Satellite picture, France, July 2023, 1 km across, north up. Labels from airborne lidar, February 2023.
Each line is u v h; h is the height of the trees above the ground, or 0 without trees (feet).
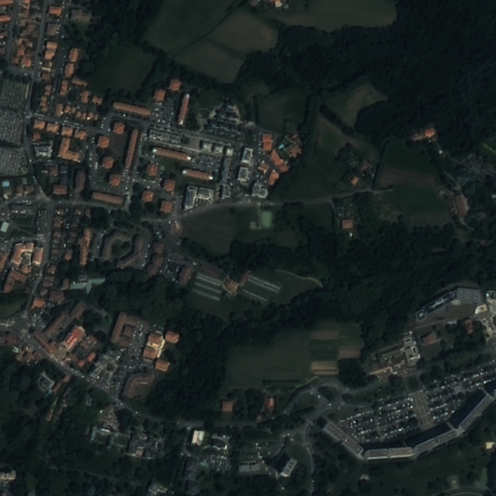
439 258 79
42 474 67
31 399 25
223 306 0
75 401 47
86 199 24
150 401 49
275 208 0
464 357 77
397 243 55
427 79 66
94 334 27
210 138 0
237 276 47
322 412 0
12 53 0
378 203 0
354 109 0
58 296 0
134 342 0
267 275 0
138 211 76
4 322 0
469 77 84
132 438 0
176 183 0
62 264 50
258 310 0
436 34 79
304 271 50
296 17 0
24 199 0
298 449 0
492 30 66
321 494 69
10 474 0
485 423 0
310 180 0
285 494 0
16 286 0
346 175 22
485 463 0
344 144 0
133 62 0
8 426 95
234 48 0
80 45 59
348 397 38
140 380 0
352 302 113
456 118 24
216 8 0
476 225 24
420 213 0
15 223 0
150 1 44
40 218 0
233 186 0
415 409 0
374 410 51
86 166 36
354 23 0
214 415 80
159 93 0
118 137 0
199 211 0
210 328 99
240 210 0
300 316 62
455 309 0
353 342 0
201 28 0
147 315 115
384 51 70
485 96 71
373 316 88
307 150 69
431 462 0
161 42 0
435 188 0
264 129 0
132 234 0
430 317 0
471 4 63
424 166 0
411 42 82
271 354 0
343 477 0
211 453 24
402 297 76
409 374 0
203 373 78
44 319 32
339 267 83
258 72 42
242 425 0
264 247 50
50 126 0
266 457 35
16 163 0
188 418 60
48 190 20
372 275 66
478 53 86
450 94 49
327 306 90
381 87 57
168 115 0
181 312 66
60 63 0
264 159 0
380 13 0
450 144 73
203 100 0
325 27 0
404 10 68
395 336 91
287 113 0
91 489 100
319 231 58
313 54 79
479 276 64
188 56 0
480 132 47
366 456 0
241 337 92
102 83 0
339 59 87
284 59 94
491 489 77
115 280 70
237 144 0
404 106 81
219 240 0
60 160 27
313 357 0
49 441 34
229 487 0
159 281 83
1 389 127
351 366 33
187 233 0
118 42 18
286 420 28
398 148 0
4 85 0
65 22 0
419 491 0
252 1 0
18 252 0
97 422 31
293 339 0
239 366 0
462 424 0
